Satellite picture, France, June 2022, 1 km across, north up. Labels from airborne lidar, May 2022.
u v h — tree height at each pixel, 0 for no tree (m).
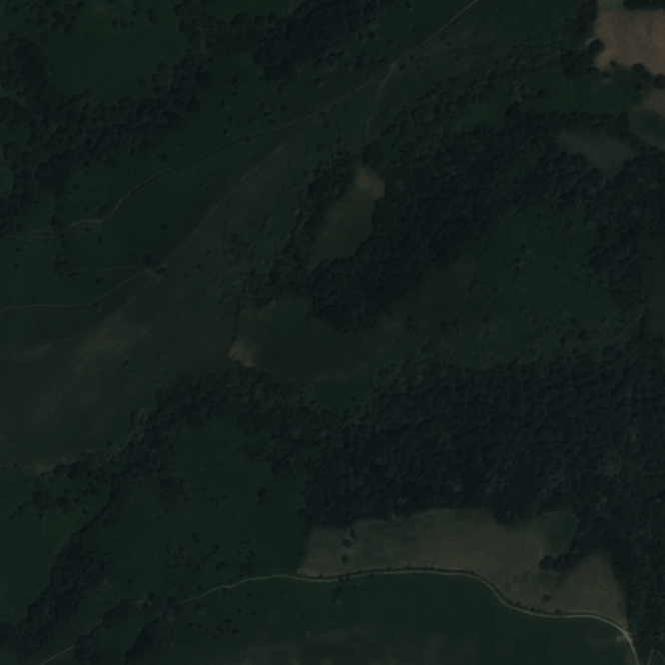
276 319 0
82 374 0
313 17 27
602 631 0
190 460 0
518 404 18
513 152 15
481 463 19
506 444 12
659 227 23
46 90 28
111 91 0
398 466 22
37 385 0
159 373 0
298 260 22
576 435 17
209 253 10
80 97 11
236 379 14
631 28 0
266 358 0
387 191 10
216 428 0
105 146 26
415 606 0
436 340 9
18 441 0
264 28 21
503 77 12
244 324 0
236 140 0
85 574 9
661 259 0
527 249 14
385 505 14
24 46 15
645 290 14
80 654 13
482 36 0
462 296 0
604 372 8
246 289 10
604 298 0
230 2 0
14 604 0
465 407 30
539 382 17
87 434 0
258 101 0
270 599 0
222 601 0
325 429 28
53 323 0
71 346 0
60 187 18
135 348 0
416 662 0
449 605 0
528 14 0
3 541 0
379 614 0
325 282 28
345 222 0
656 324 0
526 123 16
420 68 11
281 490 0
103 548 0
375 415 24
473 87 10
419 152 12
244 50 11
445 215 18
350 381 0
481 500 15
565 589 0
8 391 0
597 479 15
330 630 0
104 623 8
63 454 0
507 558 0
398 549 0
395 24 0
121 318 0
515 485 24
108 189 0
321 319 12
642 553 14
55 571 10
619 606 0
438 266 15
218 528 0
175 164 0
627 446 13
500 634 0
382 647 0
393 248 15
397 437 21
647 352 22
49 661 0
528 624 0
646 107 0
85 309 0
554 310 0
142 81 12
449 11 0
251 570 7
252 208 0
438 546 0
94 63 0
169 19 0
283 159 0
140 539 0
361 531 0
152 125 25
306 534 7
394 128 19
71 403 0
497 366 7
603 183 14
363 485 12
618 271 21
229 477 0
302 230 11
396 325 0
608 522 19
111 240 0
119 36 0
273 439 7
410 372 19
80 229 0
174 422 23
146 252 0
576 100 0
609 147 0
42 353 0
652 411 21
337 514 19
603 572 0
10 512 0
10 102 25
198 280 0
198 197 0
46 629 7
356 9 14
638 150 6
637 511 22
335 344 0
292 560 0
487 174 10
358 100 0
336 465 22
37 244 0
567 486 12
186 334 0
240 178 0
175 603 22
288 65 24
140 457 17
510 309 0
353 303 27
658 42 0
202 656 0
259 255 8
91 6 0
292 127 0
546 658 0
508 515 16
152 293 0
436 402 25
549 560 18
